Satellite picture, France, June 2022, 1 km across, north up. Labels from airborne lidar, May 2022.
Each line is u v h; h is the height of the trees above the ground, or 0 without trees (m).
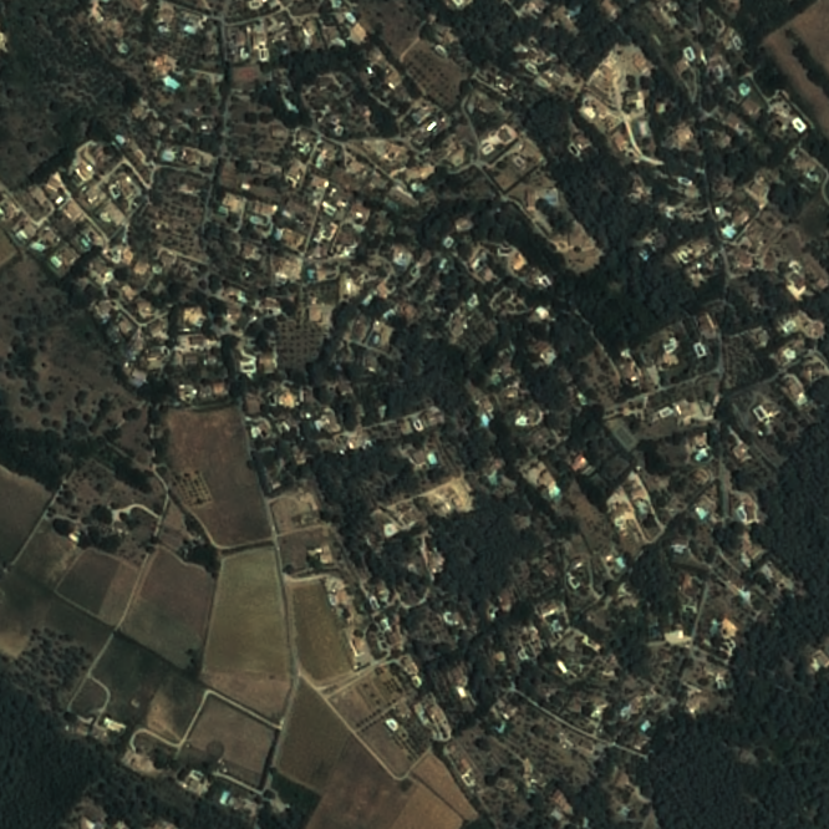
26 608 0
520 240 12
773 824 23
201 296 11
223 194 7
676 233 14
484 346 10
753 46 7
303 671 0
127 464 11
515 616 17
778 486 7
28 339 11
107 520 14
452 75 0
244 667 0
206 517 0
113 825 10
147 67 6
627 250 8
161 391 12
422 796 0
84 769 14
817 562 24
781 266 7
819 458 19
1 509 0
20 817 13
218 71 8
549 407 22
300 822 17
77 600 0
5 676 14
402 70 7
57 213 11
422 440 8
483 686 18
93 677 0
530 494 11
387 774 0
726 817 21
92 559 0
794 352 0
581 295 15
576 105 8
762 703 19
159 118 7
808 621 22
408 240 7
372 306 10
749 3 9
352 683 0
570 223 15
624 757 7
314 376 23
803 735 9
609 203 18
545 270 10
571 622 7
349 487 20
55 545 0
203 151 10
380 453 23
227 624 0
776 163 14
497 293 6
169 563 0
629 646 20
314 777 0
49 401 10
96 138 15
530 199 0
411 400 24
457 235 9
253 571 0
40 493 0
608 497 5
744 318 7
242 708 0
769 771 8
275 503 0
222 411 0
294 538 0
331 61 21
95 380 0
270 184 14
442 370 19
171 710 0
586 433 18
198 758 0
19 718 21
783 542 22
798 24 0
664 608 22
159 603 0
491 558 21
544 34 19
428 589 21
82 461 7
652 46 19
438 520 13
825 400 21
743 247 6
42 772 9
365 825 0
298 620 0
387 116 12
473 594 23
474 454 21
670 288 23
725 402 9
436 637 7
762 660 16
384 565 19
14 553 0
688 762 10
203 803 8
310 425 16
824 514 15
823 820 19
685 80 6
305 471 19
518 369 14
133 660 0
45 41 8
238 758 0
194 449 0
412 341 18
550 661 11
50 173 14
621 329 14
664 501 10
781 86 12
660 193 8
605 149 7
